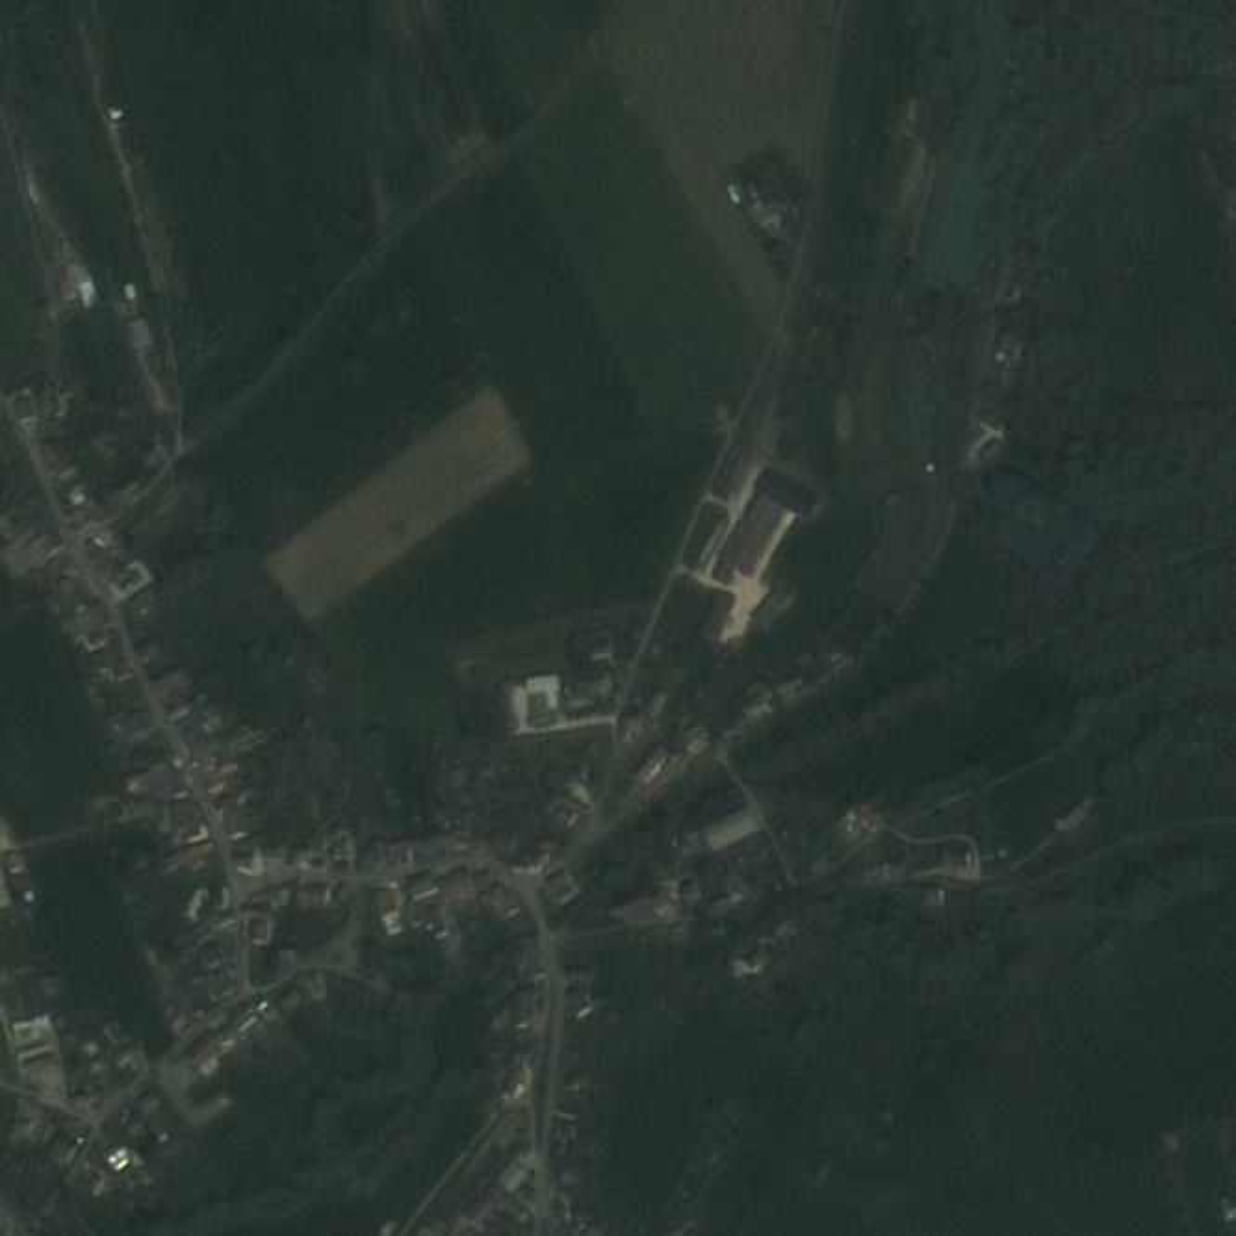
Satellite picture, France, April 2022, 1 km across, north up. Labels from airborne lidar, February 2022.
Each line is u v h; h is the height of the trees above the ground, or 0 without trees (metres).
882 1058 0
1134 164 0
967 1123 0
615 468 0
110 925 0
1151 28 30
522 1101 0
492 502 0
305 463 0
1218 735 9
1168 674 8
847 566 0
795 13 0
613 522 0
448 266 0
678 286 0
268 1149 0
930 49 20
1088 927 0
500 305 0
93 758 0
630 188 0
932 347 18
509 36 0
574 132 0
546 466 0
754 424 0
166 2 0
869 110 0
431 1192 0
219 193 0
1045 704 0
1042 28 16
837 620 11
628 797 0
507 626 0
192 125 0
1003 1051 0
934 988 26
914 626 0
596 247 0
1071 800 0
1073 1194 0
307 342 0
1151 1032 0
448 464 0
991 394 10
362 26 0
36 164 28
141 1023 0
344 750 19
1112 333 0
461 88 0
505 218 0
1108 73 28
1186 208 0
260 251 0
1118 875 0
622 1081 0
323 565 0
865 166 0
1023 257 18
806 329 0
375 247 0
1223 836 0
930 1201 0
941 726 0
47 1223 10
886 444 0
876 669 0
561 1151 6
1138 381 0
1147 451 22
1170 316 0
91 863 0
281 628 0
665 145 0
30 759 0
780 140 0
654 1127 0
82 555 0
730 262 0
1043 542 0
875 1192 0
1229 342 0
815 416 0
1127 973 0
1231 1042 0
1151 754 17
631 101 0
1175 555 20
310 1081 0
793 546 0
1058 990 0
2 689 0
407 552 0
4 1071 0
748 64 0
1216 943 0
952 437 26
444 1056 0
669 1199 7
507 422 0
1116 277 0
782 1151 0
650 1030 0
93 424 0
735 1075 0
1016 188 24
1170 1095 0
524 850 0
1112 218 0
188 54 0
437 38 0
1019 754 0
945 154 13
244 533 0
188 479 28
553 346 0
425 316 0
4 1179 12
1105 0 25
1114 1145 0
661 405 0
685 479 0
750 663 0
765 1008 0
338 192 0
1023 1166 0
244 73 0
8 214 0
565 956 0
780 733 0
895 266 0
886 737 0
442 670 0
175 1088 0
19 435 0
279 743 15
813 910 24
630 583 0
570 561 0
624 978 0
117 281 0
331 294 0
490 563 0
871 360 0
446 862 0
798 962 0
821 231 0
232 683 0
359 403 0
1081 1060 0
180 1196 0
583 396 0
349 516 0
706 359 0
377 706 0
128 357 20
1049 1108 0
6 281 0
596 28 0
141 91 0
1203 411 14
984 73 16
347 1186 0
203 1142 0
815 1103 0
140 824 6
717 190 0
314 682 0
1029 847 0
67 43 0
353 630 0
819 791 0
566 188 0
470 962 18
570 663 6
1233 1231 0
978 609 0
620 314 0
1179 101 20
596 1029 0
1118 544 9
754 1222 0
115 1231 0
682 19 0
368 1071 0
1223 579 17
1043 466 17
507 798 0
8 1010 0
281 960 18
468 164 0
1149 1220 0
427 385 0
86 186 0
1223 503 28
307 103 0
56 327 0
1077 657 17
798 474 0
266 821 0
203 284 0
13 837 0
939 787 7
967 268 0
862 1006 0
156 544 0
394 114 0
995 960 19
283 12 0
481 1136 0
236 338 0
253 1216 24
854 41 0
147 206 0
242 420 0
